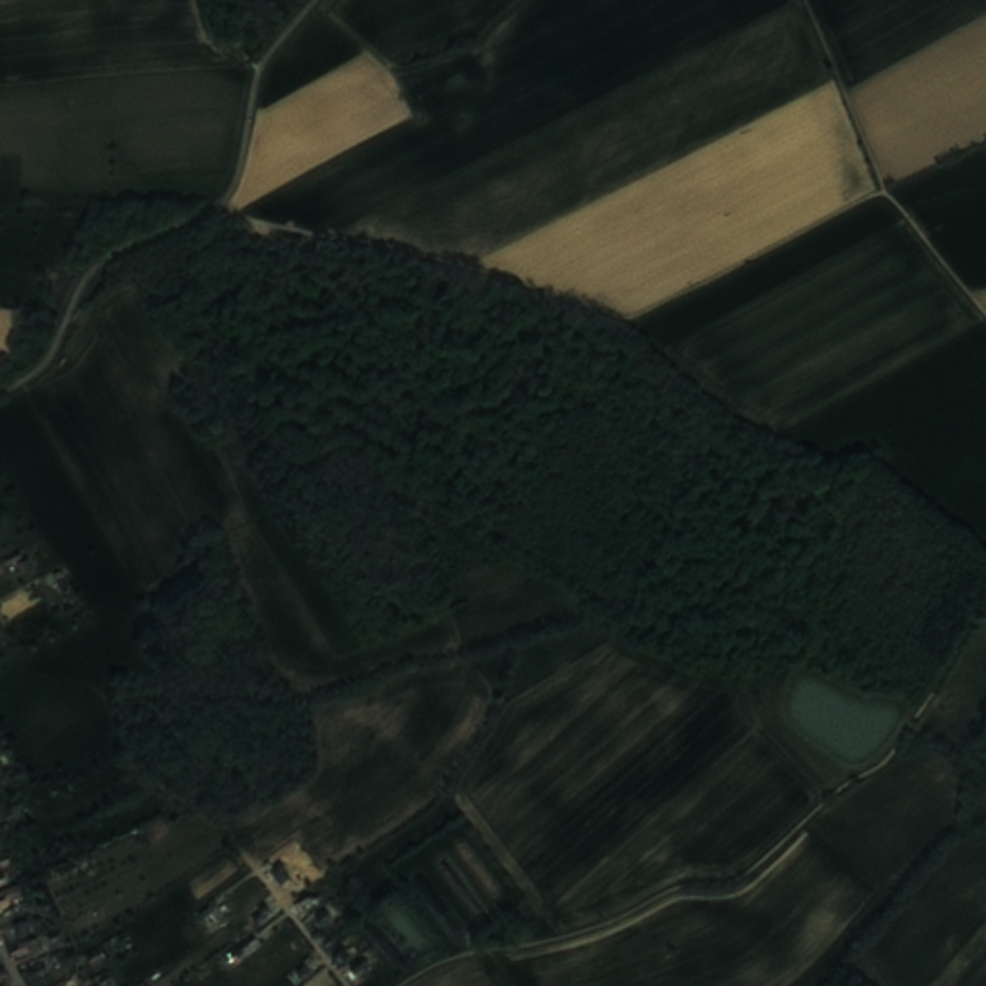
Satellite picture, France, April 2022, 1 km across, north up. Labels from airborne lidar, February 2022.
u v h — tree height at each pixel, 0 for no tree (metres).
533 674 0
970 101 0
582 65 0
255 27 19
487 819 0
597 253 0
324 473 27
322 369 31
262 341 20
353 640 0
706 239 0
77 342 0
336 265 21
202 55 0
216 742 33
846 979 11
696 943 0
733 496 25
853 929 0
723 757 0
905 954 0
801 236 0
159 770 31
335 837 0
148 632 25
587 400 13
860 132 0
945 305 0
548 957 0
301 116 0
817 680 0
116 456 0
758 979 0
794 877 0
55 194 0
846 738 0
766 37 0
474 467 28
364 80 0
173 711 27
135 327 0
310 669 0
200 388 31
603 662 0
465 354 27
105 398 0
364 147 0
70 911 0
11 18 0
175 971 0
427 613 24
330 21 0
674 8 0
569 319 19
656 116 0
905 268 0
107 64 0
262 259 29
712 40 0
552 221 0
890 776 0
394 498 31
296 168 0
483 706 0
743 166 0
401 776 0
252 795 30
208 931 0
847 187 0
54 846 7
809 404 0
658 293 0
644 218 0
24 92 0
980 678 0
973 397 0
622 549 14
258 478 11
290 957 0
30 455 0
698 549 24
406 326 20
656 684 0
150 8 0
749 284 0
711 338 0
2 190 0
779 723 0
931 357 0
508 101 0
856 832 0
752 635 28
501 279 17
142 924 0
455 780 14
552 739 0
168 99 0
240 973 0
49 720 0
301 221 0
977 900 0
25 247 0
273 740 29
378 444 29
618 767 0
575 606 0
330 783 0
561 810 0
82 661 0
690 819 0
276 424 29
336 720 0
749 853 0
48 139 0
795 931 0
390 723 0
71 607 9
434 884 0
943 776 0
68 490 0
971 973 0
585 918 0
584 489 14
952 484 0
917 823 0
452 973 0
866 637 18
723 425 25
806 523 22
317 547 24
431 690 0
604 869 0
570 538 15
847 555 14
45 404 0
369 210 0
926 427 0
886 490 17
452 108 0
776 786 0
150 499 0
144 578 0
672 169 0
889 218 0
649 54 0
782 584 24
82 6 0
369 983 0
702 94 0
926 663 17
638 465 18
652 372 19
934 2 0
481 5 0
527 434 23
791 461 27
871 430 0
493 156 0
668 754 0
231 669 24
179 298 26
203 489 0
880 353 0
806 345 0
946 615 25
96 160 0
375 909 18
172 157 0
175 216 21
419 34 0
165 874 0
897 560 17
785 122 0
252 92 0
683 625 25
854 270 0
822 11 0
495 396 26
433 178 0
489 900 0
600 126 0
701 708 0
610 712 0
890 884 0
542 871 0
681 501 24
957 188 0
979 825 13
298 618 0
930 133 0
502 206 0
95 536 0
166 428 0
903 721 0
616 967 0
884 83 0
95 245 20
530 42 0
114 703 15
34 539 0
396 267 29
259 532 0
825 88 0
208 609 30
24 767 8
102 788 0
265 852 0
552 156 0
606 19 0
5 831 8
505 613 0
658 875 0
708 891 12
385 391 28
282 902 0
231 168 0
